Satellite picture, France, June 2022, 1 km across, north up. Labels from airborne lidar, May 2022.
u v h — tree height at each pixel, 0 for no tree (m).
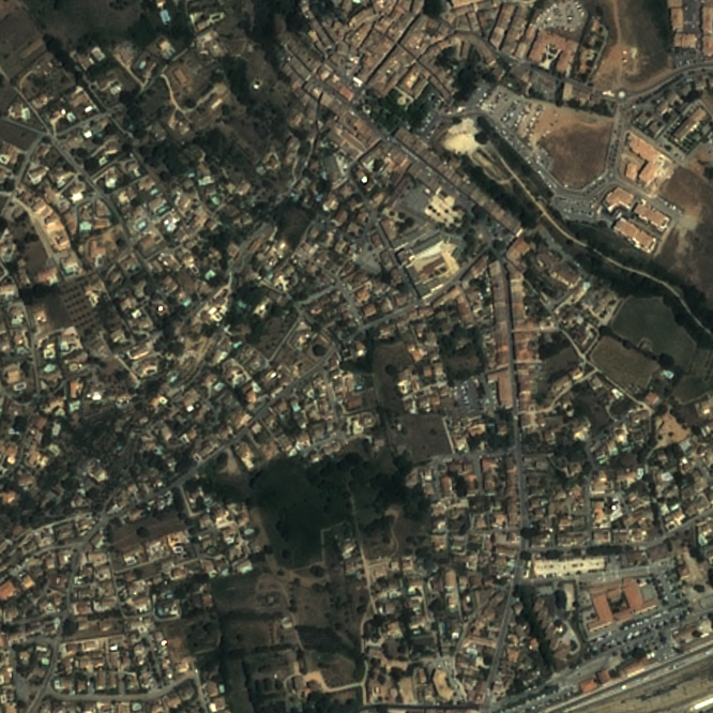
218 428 7
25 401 12
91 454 9
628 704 0
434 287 0
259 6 12
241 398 13
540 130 0
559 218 9
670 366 17
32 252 0
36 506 6
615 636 0
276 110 13
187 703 9
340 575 0
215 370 6
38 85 7
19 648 9
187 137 0
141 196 0
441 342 7
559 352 7
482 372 8
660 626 7
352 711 18
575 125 0
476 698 0
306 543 0
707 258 0
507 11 0
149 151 13
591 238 7
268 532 0
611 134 0
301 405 6
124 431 7
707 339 13
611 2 0
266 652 10
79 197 0
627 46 0
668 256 0
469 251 11
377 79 0
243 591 0
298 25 20
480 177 9
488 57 0
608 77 0
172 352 15
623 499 0
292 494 0
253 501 10
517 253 0
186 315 6
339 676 0
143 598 0
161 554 0
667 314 0
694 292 9
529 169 7
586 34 6
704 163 5
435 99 10
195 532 10
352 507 8
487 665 8
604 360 0
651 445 10
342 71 0
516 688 8
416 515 6
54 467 13
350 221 7
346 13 6
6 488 12
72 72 11
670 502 9
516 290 0
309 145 9
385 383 0
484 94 0
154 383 10
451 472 8
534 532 12
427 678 7
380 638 8
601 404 6
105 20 0
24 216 7
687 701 0
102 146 12
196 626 6
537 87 0
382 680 8
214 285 6
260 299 23
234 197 7
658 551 0
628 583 0
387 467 0
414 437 0
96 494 14
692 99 15
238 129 0
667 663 0
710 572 7
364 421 0
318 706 10
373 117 10
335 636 8
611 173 0
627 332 0
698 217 0
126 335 8
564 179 0
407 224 7
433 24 0
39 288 14
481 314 6
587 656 8
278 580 0
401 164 0
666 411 11
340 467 12
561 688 0
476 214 12
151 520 0
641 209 0
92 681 6
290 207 11
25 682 0
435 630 7
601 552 11
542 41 0
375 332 15
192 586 9
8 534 8
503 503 8
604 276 7
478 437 16
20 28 0
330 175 0
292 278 13
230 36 6
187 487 10
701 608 0
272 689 12
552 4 0
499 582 7
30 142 0
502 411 5
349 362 10
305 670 9
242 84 8
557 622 8
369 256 0
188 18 5
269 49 17
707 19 0
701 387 0
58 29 0
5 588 0
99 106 8
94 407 8
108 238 0
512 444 13
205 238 8
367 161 0
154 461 10
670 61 0
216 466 7
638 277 11
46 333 0
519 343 0
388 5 0
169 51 0
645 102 6
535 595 7
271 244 8
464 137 0
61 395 11
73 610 0
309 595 0
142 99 11
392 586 0
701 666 0
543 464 0
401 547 0
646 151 0
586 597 0
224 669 9
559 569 0
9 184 13
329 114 6
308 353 0
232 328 8
